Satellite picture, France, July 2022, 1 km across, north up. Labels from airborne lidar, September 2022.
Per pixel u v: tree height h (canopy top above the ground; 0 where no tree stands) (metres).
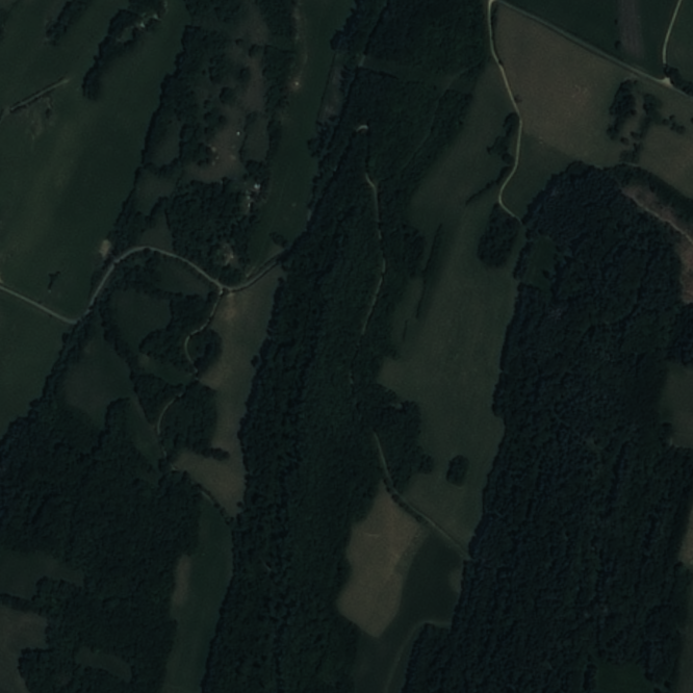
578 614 15
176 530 14
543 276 0
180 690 0
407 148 11
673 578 17
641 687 0
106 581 15
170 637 21
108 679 18
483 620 12
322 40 0
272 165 6
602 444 31
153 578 18
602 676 0
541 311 24
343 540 12
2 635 0
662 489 12
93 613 18
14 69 0
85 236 0
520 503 15
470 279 0
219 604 0
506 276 0
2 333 0
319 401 9
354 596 0
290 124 0
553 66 0
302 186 0
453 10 18
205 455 16
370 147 12
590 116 0
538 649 17
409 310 0
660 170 0
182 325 15
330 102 0
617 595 23
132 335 0
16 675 0
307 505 14
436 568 0
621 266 27
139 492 15
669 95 0
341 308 9
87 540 17
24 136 0
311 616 18
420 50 12
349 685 12
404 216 7
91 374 0
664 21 0
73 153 0
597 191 27
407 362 0
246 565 19
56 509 21
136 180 7
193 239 9
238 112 0
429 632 15
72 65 0
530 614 18
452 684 25
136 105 0
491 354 0
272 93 6
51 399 18
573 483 25
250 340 0
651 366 27
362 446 18
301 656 12
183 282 0
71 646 11
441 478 0
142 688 21
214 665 17
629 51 0
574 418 26
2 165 0
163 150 0
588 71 0
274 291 0
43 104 0
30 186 0
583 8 0
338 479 15
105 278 0
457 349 0
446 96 8
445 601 0
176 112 11
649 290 31
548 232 26
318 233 18
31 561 0
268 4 13
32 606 7
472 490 0
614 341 13
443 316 0
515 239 6
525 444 8
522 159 0
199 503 20
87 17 0
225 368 0
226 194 11
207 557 0
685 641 22
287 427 19
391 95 18
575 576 23
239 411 0
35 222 0
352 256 9
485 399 0
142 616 15
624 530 27
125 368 0
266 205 0
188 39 19
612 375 21
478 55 13
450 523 0
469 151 0
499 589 7
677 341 14
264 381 23
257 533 11
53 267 0
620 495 33
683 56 0
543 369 23
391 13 18
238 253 13
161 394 14
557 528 21
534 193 0
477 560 23
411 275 9
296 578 13
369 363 9
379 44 16
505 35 0
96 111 0
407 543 0
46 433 20
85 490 19
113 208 0
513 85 0
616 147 0
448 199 0
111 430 17
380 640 0
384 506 0
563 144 0
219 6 8
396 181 13
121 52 17
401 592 0
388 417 20
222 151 0
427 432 0
